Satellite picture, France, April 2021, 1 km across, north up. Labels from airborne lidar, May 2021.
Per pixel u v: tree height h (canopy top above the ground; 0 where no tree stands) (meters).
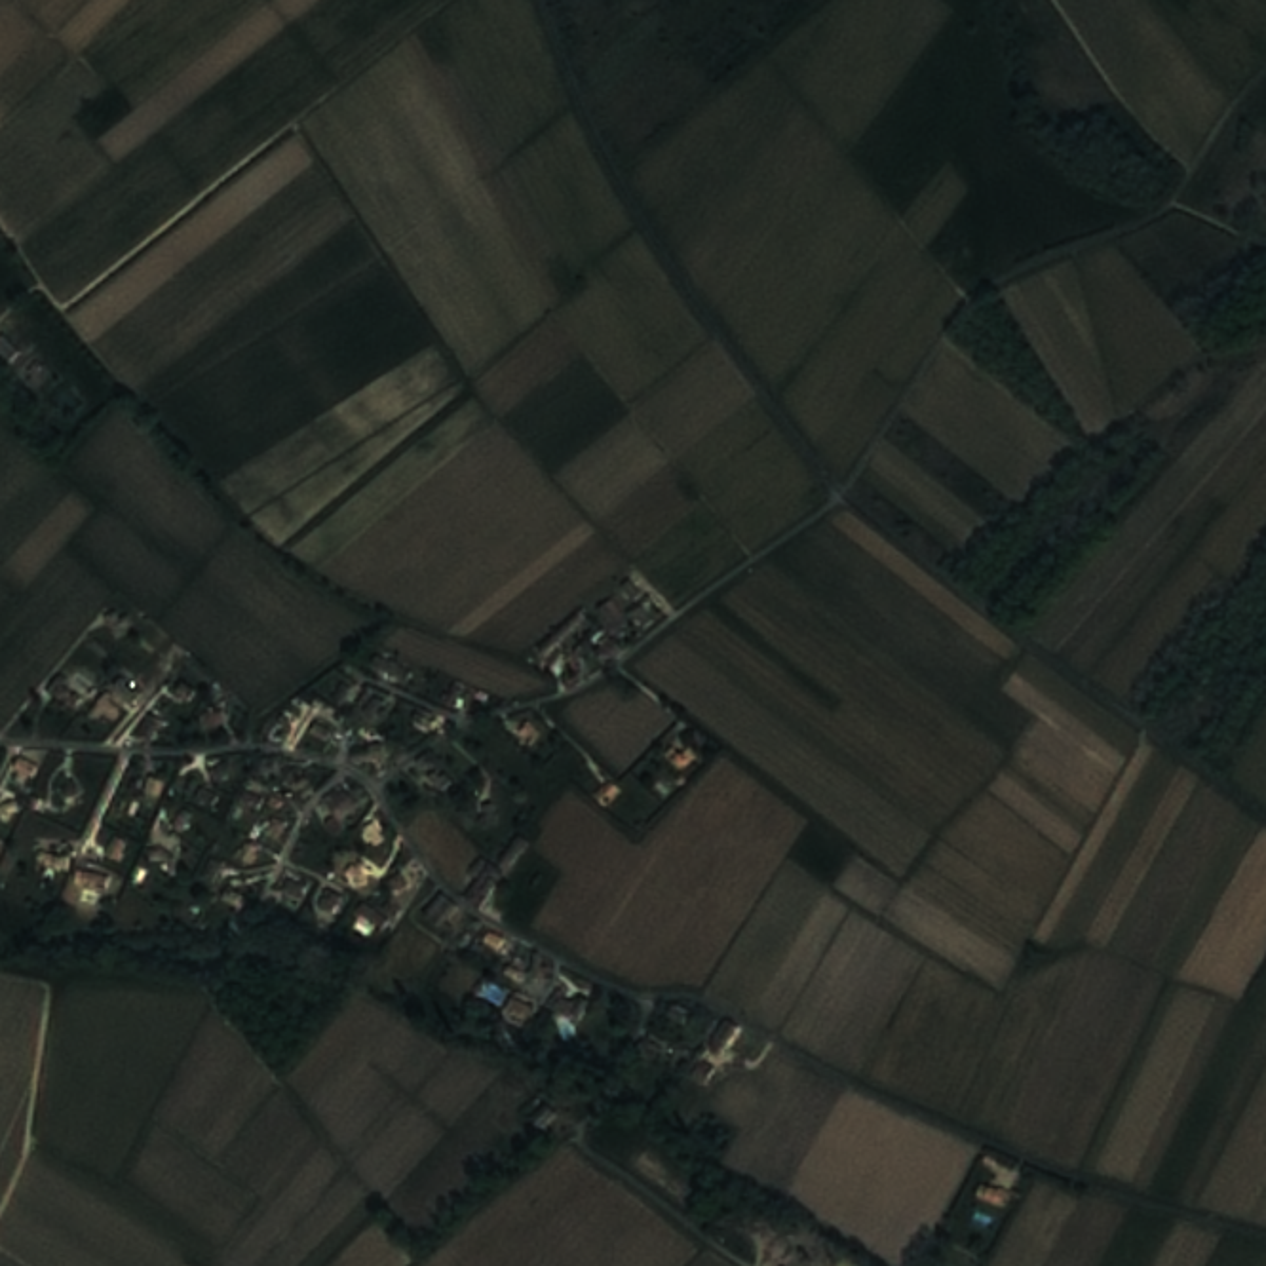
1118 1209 0
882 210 0
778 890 0
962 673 0
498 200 0
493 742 0
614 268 0
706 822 0
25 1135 0
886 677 0
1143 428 8
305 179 0
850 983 0
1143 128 0
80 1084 0
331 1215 0
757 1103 0
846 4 0
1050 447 0
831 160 0
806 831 0
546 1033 9
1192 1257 0
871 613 0
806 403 0
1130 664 0
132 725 0
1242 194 0
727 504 0
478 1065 0
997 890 0
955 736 0
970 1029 0
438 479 0
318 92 0
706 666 0
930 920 0
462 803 7
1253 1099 0
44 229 0
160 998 0
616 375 0
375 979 27
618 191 0
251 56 0
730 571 0
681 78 0
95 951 18
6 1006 0
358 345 0
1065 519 14
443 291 0
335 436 0
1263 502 0
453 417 0
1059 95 0
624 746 0
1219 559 0
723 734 0
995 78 0
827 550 0
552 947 0
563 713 0
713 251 0
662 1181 0
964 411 0
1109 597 0
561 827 0
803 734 0
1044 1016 0
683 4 0
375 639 12
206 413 0
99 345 0
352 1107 0
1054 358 0
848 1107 0
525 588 0
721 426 0
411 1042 0
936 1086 0
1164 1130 0
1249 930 0
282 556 10
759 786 0
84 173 0
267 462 0
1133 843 0
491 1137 0
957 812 0
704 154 0
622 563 0
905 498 0
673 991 0
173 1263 0
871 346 0
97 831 0
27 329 0
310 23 0
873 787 0
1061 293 0
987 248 0
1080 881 0
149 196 0
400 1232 18
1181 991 0
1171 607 0
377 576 0
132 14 0
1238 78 0
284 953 21
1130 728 0
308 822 0
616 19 0
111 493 0
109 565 0
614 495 0
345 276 0
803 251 0
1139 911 0
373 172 0
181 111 0
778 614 0
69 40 0
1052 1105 0
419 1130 0
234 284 0
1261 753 0
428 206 0
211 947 18
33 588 0
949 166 0
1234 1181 0
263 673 0
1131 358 0
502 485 0
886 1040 0
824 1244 0
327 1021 16
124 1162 0
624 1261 0
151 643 0
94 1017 0
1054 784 0
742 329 0
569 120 0
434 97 0
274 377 0
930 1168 0
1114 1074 0
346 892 6
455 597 0
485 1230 0
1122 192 15
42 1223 0
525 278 0
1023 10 0
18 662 0
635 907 0
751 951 0
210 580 0
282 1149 0
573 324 0
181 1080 0
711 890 0
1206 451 0
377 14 0
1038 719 0
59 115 0
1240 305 24
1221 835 0
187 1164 0
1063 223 0
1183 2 0
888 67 0
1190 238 0
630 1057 17
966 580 17
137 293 0
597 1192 0
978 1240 10
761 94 0
